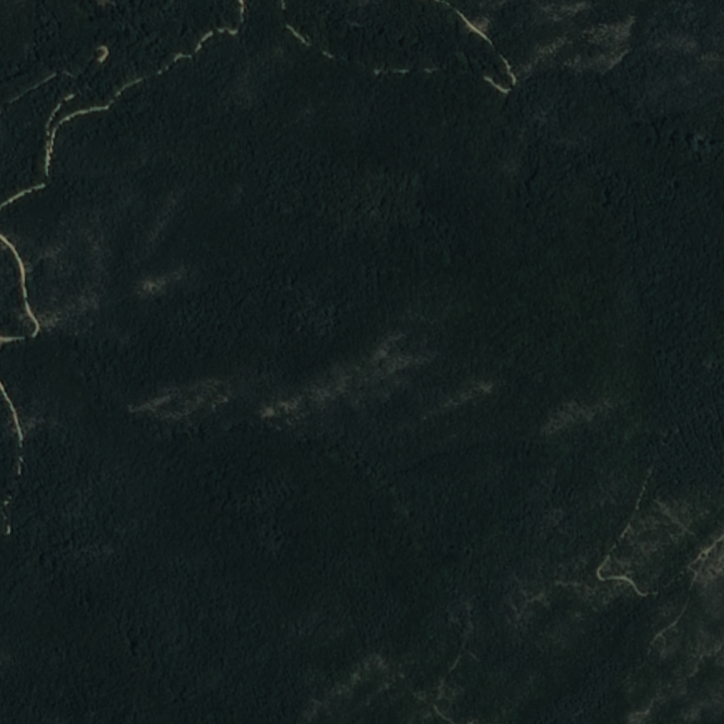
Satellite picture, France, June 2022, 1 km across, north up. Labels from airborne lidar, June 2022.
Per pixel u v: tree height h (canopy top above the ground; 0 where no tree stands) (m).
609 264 9
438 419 9
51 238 10
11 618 8
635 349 10
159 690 11
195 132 8
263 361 10
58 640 11
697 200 10
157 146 6
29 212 6
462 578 7
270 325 13
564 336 12
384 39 16
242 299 8
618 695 6
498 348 8
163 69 11
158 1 12
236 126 10
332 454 19
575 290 15
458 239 14
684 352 11
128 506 7
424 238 15
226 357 9
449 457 11
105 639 12
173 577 6
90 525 8
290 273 11
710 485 10
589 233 15
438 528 10
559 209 11
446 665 6
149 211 7
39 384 6
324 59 15
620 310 7
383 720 8
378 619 10
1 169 14
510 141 7
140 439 7
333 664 9
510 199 19
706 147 32
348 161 12
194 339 11
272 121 12
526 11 7
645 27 6
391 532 12
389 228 15
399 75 11
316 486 11
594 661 8
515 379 8
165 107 9
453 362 7
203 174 8
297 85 11
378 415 7
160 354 12
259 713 12
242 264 10
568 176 13
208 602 8
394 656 6
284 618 7
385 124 10
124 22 12
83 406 6
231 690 11
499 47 14
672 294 9
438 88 15
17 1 8
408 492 12
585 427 6
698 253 12
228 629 8
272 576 9
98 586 7
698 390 14
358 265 6
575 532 8
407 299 6
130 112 7
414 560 13
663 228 9
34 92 7
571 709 14
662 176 16
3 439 7
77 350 10
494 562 8
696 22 6
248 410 9
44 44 14
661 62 7
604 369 9
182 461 9
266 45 7
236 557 12
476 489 7
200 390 6
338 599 6
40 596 9
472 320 8
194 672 8
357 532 9
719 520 5
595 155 11
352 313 10
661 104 8
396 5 8
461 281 9
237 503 14
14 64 11
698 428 15
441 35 9
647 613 10
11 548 13
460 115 12
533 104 9
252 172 8
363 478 13
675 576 6
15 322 7
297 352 12
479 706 10
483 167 7
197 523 10
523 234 10
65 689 9
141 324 8
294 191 11
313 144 7
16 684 11
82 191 12
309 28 22
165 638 9
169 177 10
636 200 14
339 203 15
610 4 11
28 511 7
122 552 6
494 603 6
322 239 7
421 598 10
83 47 9
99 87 11
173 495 9
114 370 7
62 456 9
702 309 10
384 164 12
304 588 10
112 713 7
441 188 8
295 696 7
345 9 10
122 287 8
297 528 10
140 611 8
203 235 8
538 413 7
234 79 7
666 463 15
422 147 10
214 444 13
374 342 7
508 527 6
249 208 7
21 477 11
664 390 11
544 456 6
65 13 11
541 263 10
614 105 9
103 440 6
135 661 19
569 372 9
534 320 11
